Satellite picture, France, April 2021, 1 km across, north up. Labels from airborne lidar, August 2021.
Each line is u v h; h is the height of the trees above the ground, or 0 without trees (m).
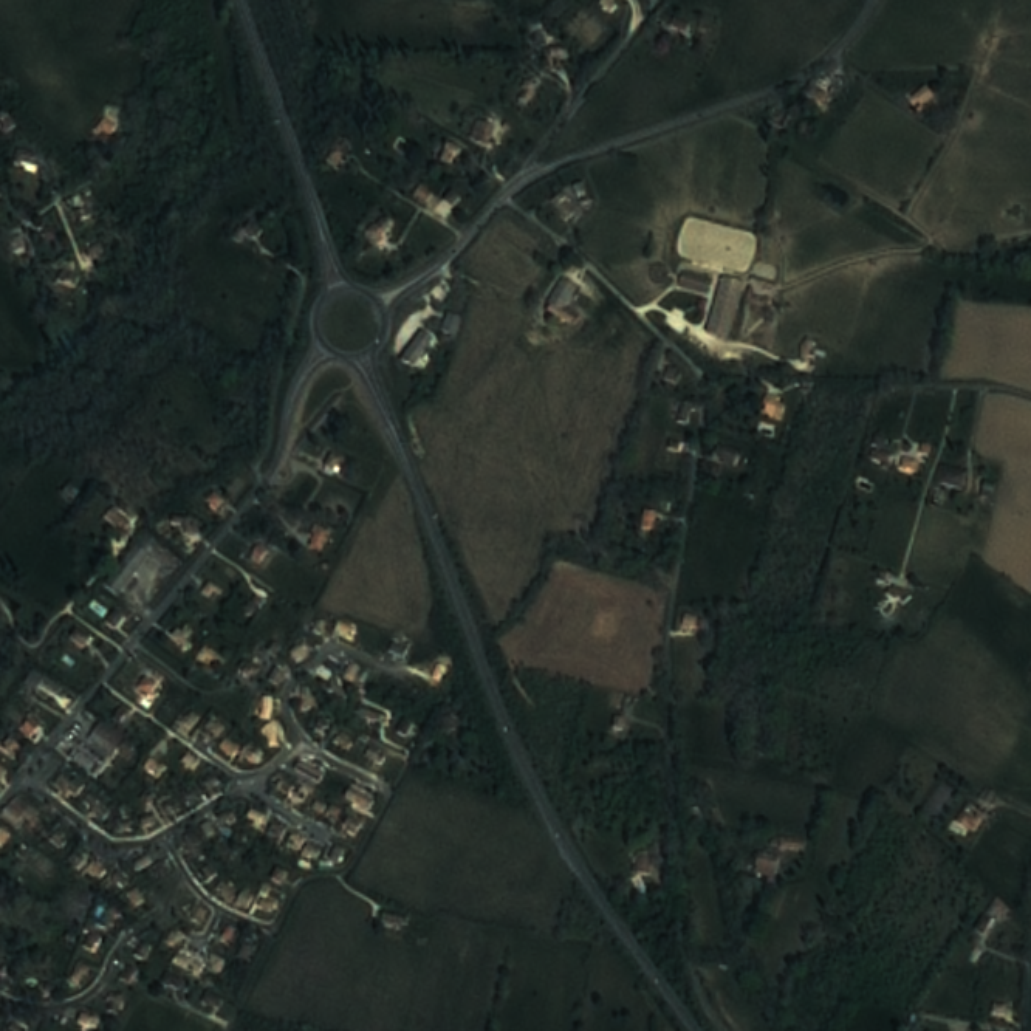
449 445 0
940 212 0
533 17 12
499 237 0
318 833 0
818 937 21
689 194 0
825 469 7
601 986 0
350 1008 0
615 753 8
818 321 0
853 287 0
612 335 0
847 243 0
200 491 15
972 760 0
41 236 10
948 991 0
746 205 0
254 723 9
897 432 0
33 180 0
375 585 0
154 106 12
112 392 12
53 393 23
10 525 0
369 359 0
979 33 0
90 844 10
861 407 8
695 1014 8
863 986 10
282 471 0
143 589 0
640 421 14
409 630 0
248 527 5
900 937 9
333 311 0
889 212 7
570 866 0
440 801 0
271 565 0
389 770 0
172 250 21
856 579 0
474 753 17
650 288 0
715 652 12
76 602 15
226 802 8
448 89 0
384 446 0
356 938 0
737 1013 0
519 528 0
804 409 8
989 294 8
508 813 0
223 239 7
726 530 0
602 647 0
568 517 0
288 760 0
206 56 7
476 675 11
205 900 0
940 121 22
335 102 8
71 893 8
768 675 18
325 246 0
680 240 0
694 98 0
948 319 19
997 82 0
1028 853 0
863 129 0
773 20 0
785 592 8
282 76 14
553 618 0
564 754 6
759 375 15
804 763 8
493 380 0
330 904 0
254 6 11
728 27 0
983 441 0
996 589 0
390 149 6
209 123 21
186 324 18
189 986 10
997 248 18
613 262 0
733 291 0
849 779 0
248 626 7
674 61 0
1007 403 0
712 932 0
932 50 0
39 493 0
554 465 0
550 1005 0
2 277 0
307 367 0
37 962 15
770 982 13
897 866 8
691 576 0
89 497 12
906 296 0
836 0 0
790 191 0
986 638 0
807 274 0
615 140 0
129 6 0
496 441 0
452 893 0
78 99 0
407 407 6
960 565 0
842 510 6
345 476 9
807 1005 15
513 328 0
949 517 0
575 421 0
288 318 13
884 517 0
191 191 15
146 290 24
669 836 19
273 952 0
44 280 10
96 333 20
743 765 19
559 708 6
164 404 8
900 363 0
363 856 0
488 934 0
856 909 11
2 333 0
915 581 7
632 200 0
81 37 0
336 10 0
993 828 0
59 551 0
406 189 11
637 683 0
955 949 12
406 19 0
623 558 17
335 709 15
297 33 18
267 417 16
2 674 21
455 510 0
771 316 16
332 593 0
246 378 21
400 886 0
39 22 0
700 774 0
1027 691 0
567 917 9
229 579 0
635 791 12
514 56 12
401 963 0
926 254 7
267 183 0
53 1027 7
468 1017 0
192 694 6
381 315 0
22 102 7
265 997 0
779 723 28
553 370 0
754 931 23
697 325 0
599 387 0
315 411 0
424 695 13
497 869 0
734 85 0
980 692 0
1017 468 0
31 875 0
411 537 0
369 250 8
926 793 0
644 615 0
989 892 6
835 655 7
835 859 0
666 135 0
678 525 11
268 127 18
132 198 8
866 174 0
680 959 10
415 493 0
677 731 16
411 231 0
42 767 8
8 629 7
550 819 0
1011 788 0
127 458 9
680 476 9
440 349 7
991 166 0
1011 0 0
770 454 0
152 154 24
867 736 0
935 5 0
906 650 0
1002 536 0
